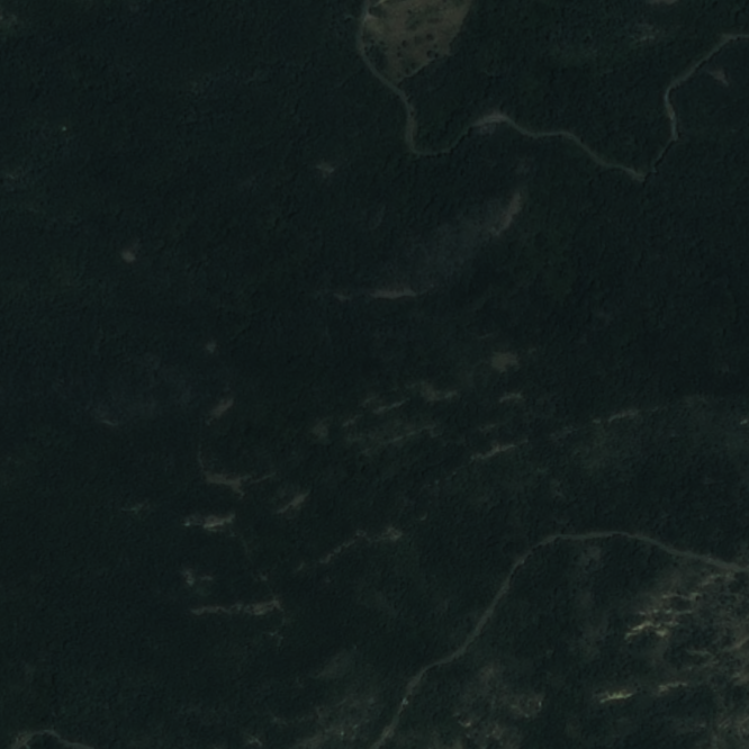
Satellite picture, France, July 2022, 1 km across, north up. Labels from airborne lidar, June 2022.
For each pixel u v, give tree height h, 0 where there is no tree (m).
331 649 9
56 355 10
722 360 8
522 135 12
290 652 10
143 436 10
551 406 10
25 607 8
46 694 7
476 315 6
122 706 10
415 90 8
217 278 13
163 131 13
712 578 0
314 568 6
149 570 10
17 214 11
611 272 9
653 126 9
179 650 9
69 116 12
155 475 9
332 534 8
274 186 11
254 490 7
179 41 13
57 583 10
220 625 6
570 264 6
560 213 9
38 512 11
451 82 11
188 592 8
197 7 11
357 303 8
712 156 6
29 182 7
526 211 12
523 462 7
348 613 15
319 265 8
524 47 11
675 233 10
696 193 9
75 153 9
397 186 13
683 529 7
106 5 13
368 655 13
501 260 12
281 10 11
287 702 11
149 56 8
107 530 13
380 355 9
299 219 12
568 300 11
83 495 9
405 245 6
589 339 7
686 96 10
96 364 13
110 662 9
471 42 13
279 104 12
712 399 6
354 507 10
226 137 9
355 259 7
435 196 8
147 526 14
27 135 10
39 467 12
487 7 8
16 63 12
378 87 8
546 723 9
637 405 11
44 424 7
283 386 9
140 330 7
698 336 12
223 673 6
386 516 8
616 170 10
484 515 13
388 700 9
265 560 8
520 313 7
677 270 14
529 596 13
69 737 8
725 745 0
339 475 11
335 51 9
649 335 12
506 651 8
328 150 10
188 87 6
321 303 7
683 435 11
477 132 8
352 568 12
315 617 13
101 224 10
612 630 8
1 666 12
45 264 9
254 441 8
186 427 8
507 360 0
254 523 9
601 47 9
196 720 9
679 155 9
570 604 13
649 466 11
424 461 5
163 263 12
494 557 11
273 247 7
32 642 13
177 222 13
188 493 8
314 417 7
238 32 14
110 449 11
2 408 7
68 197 7
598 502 14
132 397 7
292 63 8
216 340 8
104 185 9
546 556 14
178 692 10
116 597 13
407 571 6
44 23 11
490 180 9
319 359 9
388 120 10
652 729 8
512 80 14
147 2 8
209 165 8
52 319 7
